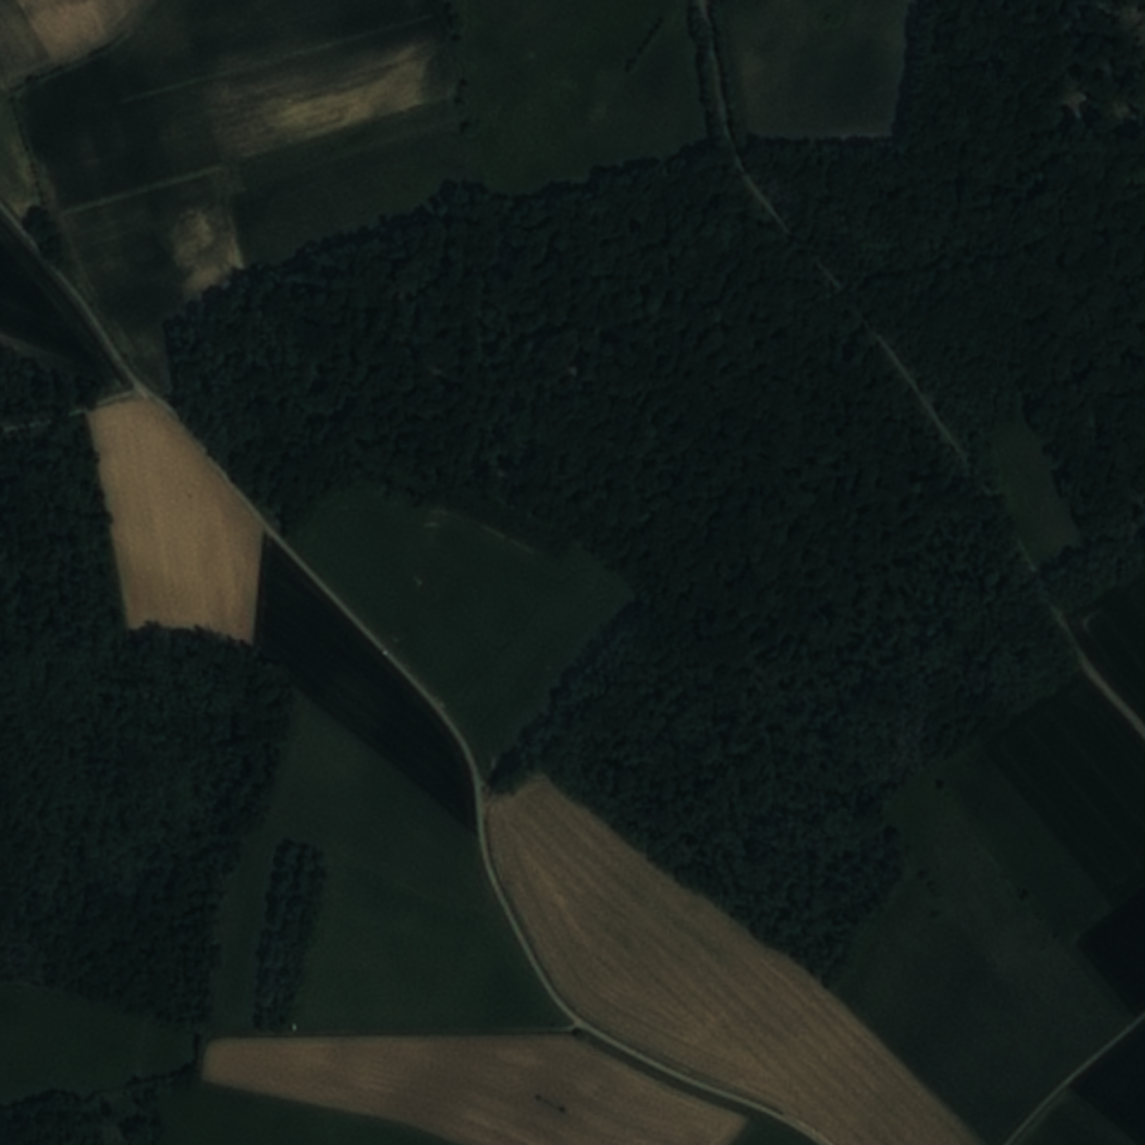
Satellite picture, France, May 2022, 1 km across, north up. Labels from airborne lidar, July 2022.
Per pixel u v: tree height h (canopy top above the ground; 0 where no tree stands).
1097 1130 0
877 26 0
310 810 0
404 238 26
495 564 0
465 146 0
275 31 0
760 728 29
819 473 29
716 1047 0
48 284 0
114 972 25
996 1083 0
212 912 20
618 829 22
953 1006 0
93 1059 0
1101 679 0
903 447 26
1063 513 0
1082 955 0
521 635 0
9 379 26
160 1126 16
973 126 25
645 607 18
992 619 30
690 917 0
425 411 26
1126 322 29
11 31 0
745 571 23
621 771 29
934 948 0
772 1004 0
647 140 0
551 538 6
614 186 23
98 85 0
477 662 0
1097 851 0
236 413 23
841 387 27
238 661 25
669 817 25
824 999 0
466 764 0
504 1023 0
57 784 25
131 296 0
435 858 0
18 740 21
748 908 24
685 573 29
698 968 0
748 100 0
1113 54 26
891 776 26
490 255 26
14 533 24
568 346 33
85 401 21
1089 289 22
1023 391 21
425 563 0
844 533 24
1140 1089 0
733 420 30
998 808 0
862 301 24
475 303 30
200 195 0
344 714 0
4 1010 0
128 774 24
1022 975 0
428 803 0
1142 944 0
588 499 28
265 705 21
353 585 0
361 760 0
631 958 0
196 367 26
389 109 0
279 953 21
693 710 30
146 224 0
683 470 27
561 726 24
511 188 0
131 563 0
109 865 24
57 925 22
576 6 0
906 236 24
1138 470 33
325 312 26
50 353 0
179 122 0
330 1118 0
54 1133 16
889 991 0
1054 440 27
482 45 0
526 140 0
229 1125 0
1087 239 30
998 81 30
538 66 0
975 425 15
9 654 26
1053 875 0
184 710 29
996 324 28
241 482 19
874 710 28
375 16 0
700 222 27
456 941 0
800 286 30
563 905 0
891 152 19
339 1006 0
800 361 27
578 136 0
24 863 22
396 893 0
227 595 0
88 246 0
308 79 0
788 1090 0
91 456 17
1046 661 25
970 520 26
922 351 18
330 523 0
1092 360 26
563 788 19
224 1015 0
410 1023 0
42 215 15
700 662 29
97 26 0
